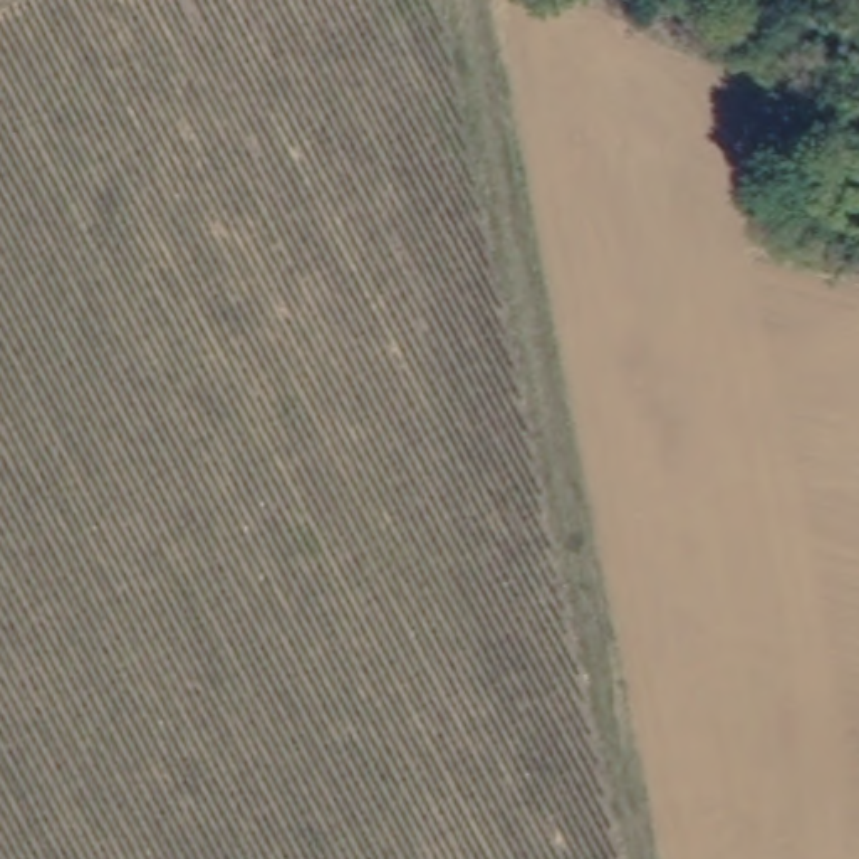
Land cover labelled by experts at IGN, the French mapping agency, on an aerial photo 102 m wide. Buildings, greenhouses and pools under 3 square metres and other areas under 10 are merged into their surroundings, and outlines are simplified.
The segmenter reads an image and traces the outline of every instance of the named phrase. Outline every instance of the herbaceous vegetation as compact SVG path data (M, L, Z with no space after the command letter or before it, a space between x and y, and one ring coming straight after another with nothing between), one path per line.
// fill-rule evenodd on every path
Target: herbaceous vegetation
M497 319L503 329L503 346L513 362L517 409L527 423L523 443L530 450L530 470L537 483L537 517L547 537L547 560L554 570L557 601L564 607L564 644L570 664L577 668L574 701L580 708L587 742L597 758L594 778L601 785L601 812L607 819L614 859L658 859L644 768L631 728L631 688L621 668L604 567L594 544L594 510L584 487L584 463L567 403L567 379L540 258L527 164L517 138L513 91L510 74L500 60L490 7L476 10L476 30L456 34L456 50L466 50L470 64L466 70L450 67L450 81L456 84L456 104L480 107L480 134L473 134L473 144L466 144L460 158L470 164L473 174L473 208L490 255Z

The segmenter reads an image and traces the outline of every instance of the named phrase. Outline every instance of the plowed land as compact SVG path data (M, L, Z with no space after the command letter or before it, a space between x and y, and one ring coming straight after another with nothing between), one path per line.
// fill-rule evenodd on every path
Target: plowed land
M594 544L604 567L621 668L631 688L631 728L644 768L658 859L859 859L859 275L849 272L849 285L836 289L809 275L758 262L748 248L748 221L738 211L738 198L731 198L728 158L711 138L711 94L715 87L721 87L725 74L715 70L715 64L674 47L674 40L651 40L644 27L634 27L621 7L607 0L597 0L584 10L570 10L560 20L530 20L517 0L490 0L490 7L500 60L510 74L513 91L517 138L527 164L540 258L567 379L567 403L584 463L584 487L594 510Z

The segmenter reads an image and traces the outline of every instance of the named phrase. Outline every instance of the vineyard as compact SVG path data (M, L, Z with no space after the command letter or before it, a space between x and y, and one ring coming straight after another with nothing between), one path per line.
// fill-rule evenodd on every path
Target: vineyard
M530 470L530 450L523 443L527 423L517 409L513 362L503 346L503 329L497 319L490 255L473 208L473 174L470 164L460 158L466 144L473 144L473 134L480 134L480 107L456 104L456 84L450 81L450 67L466 70L470 64L466 50L456 50L456 34L476 30L476 10L490 7L490 0L0 0L0 859L614 859L607 819L601 812L601 785L594 778L597 758L587 742L580 708L574 701L577 668L570 664L564 644L564 607L557 601L554 570L547 560L547 537L537 517L537 483Z

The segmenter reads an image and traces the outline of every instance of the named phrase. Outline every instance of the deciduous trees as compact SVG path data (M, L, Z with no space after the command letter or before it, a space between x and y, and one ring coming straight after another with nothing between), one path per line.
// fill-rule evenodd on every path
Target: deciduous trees
M584 10L597 0L517 0L530 20L560 20L570 10Z
M738 211L748 221L802 225L795 235L799 252L812 242L822 242L836 245L842 262L859 262L859 0L607 0L621 7L634 27L644 27L651 40L674 40L674 47L715 64L715 70L725 74L721 87L715 87L711 94L711 138L728 158L731 198L738 198Z

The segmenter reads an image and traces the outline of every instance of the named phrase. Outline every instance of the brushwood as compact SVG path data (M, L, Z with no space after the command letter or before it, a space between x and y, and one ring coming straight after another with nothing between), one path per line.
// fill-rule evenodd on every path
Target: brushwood
M758 262L809 275L836 289L849 285L849 272L859 275L859 262L842 262L836 245L822 242L812 242L799 252L795 235L802 225L748 221L748 248Z

